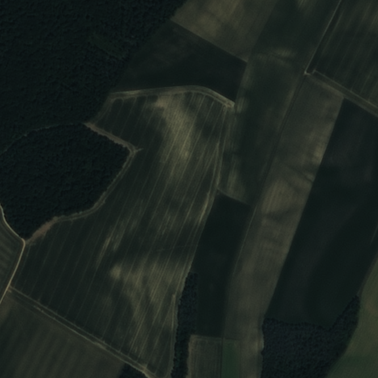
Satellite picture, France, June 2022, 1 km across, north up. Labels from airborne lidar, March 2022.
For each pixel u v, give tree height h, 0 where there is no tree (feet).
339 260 0
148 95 0
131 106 0
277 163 0
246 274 0
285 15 0
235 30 0
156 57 0
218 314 0
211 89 0
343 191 0
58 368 0
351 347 0
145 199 0
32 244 0
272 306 0
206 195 0
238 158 0
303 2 0
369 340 0
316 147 0
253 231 0
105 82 56
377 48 0
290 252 0
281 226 0
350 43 0
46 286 0
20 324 0
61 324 0
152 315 0
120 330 0
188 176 0
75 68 72
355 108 0
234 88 0
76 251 0
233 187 0
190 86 0
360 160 0
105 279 0
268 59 0
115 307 0
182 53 0
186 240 0
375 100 0
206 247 0
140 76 0
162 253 0
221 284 0
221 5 0
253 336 0
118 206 0
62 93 68
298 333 38
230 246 0
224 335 0
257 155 0
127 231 0
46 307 0
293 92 0
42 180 73
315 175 0
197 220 0
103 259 0
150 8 79
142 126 0
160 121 0
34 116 60
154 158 0
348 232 0
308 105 0
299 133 0
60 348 0
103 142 62
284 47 0
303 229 0
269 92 0
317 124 0
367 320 0
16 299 0
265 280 0
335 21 0
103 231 0
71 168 70
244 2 0
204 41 0
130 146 0
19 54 70
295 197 0
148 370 0
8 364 0
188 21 0
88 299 0
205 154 0
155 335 0
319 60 0
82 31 67
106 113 0
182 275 0
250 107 0
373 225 0
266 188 0
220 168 0
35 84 69
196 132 0
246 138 0
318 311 0
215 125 0
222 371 0
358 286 0
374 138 0
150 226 0
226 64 0
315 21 0
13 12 71
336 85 0
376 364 0
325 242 0
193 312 44
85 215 0
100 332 0
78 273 0
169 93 0
